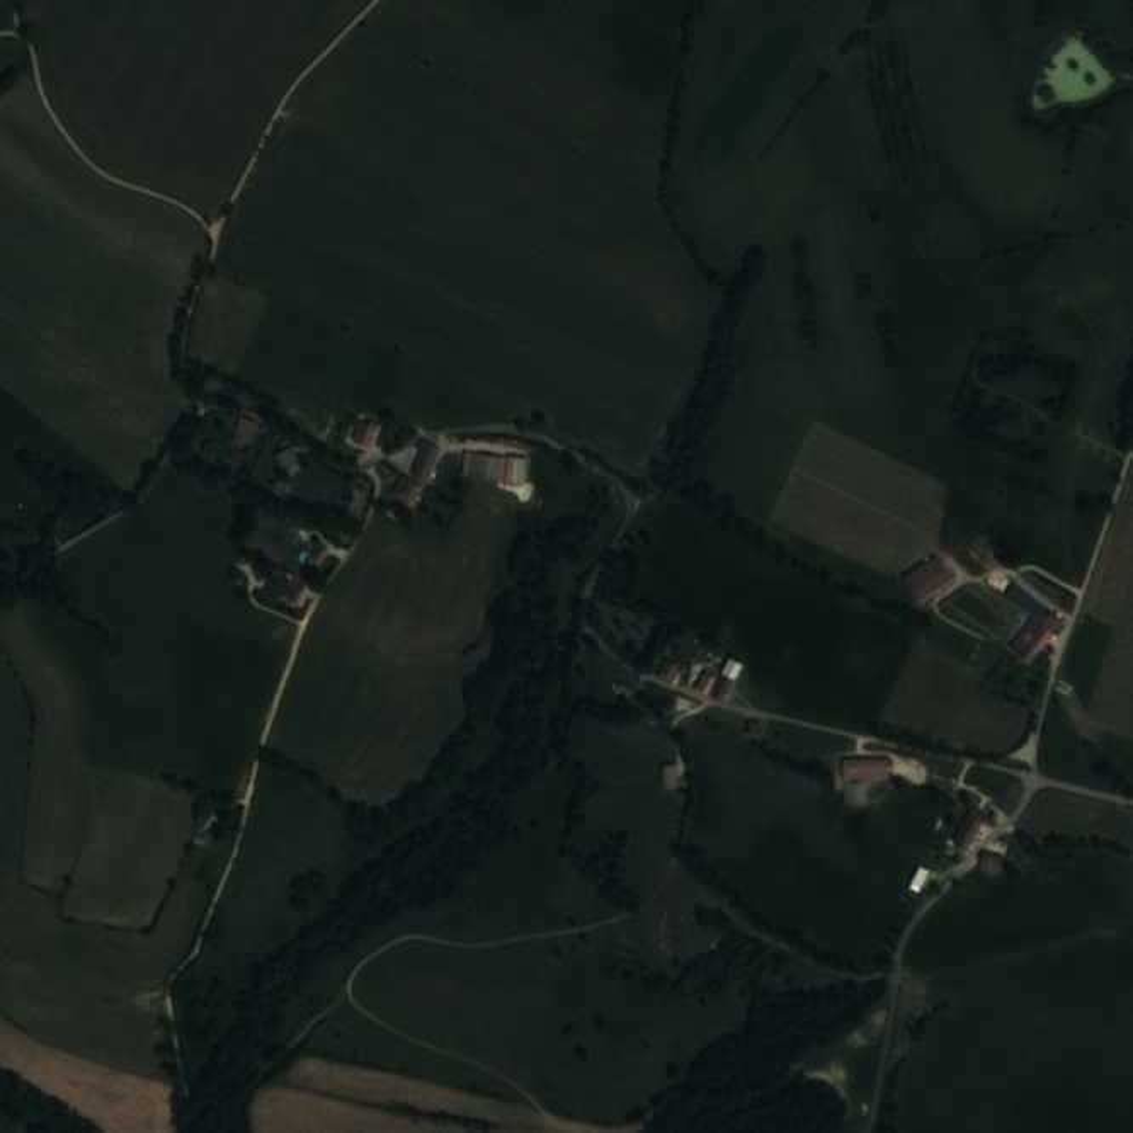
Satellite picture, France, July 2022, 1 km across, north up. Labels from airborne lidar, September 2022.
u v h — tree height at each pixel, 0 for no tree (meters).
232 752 0
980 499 0
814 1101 17
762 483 0
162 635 0
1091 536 0
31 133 0
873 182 0
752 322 0
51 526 14
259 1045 13
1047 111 0
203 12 0
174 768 0
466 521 0
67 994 0
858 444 0
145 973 0
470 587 0
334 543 9
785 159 0
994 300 0
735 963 6
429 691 0
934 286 0
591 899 0
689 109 0
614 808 0
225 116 0
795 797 0
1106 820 0
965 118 0
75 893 0
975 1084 0
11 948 0
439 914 0
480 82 0
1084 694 0
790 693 0
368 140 0
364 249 0
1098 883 0
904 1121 0
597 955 0
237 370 0
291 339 0
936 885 9
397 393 0
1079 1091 0
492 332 0
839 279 0
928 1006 0
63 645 0
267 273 0
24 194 0
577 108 0
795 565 10
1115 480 8
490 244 0
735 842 0
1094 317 0
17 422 0
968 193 0
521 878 0
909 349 0
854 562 0
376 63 0
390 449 8
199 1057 0
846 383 0
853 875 0
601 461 14
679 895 0
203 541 0
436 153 0
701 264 9
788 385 0
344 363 0
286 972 19
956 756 17
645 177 0
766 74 0
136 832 0
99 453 0
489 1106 0
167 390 0
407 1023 0
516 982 0
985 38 0
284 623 0
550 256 0
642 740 0
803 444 0
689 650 0
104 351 0
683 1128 20
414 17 0
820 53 0
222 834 17
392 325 0
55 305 0
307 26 0
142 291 0
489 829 22
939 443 0
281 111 0
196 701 0
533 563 17
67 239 0
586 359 0
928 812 0
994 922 0
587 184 0
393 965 0
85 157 0
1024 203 0
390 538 0
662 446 0
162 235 0
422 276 0
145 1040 0
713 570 0
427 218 0
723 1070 25
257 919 0
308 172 0
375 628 0
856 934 0
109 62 0
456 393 0
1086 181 0
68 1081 0
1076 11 0
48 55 0
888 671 0
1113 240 0
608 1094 0
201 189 0
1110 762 15
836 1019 22
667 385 0
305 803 0
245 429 0
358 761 0
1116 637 0
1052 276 0
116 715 0
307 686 0
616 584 18
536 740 18
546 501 0
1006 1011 0
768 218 0
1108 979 0
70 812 0
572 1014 0
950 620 0
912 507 0
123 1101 0
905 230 0
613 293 0
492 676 21
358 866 0
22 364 0
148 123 0
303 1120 0
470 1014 0
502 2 0
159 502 0
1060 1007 0
